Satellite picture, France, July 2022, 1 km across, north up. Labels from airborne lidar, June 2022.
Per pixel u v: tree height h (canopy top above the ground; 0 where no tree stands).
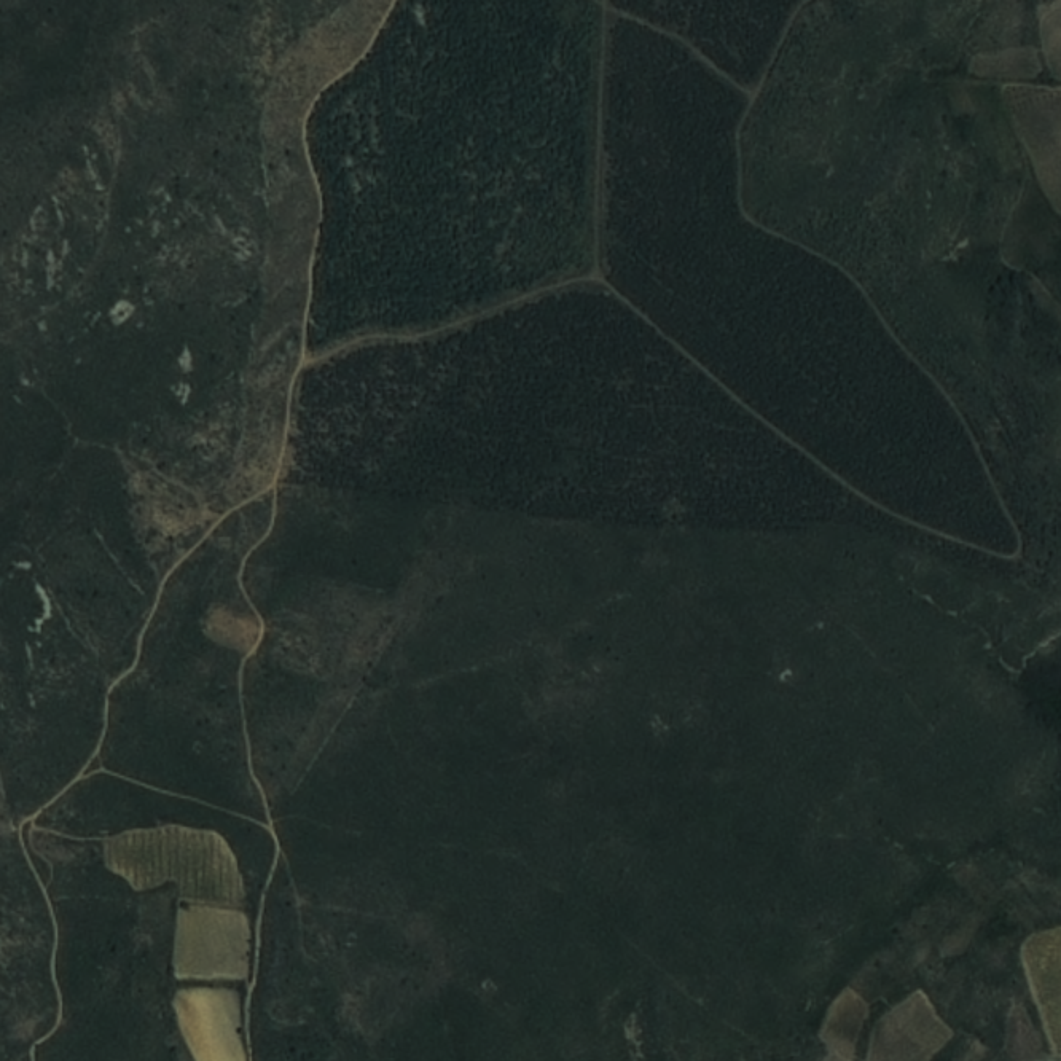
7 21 0
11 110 0
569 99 8
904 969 0
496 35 9
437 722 0
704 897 0
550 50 9
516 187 8
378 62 7
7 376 0
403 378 6
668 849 0
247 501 0
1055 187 0
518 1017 0
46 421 0
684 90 6
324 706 0
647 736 0
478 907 0
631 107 7
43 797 0
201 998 0
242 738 0
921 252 0
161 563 0
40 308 0
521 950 0
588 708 0
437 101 8
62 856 0
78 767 0
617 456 6
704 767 0
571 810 0
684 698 0
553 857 0
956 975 0
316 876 0
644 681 0
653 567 0
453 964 0
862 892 0
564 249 7
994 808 0
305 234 0
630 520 5
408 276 9
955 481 6
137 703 0
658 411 6
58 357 0
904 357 6
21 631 0
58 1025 0
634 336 7
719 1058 0
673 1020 0
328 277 8
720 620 0
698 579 0
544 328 5
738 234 6
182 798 0
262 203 0
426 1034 0
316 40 0
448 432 6
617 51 6
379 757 0
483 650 0
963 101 0
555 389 8
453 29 7
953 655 0
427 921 0
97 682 0
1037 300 14
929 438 6
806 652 0
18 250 0
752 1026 0
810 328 5
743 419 6
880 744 0
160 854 0
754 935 0
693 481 6
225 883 0
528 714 0
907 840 0
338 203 8
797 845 0
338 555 0
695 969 0
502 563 0
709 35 5
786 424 6
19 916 0
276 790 0
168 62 0
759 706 0
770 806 0
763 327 6
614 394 7
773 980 0
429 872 0
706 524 6
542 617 7
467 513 0
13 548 0
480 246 9
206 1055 0
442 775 0
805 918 0
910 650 0
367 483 6
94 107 0
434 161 8
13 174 0
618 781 0
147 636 0
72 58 0
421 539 0
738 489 7
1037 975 0
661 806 0
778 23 6
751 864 0
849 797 0
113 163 0
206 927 0
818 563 0
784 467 6
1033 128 0
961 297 0
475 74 8
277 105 0
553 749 0
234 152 0
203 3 0
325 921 0
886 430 6
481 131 8
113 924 0
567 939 0
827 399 7
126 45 0
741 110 5
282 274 0
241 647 0
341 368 7
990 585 0
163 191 0
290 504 0
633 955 0
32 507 0
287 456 0
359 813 0
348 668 0
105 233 0
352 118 9
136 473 0
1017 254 0
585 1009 0
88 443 0
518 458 7
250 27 0
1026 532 7
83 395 0
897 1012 0
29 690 0
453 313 8
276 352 0
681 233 6
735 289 6
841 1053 0
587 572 0
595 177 0
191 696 0
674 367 6
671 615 0
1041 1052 0
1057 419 0
